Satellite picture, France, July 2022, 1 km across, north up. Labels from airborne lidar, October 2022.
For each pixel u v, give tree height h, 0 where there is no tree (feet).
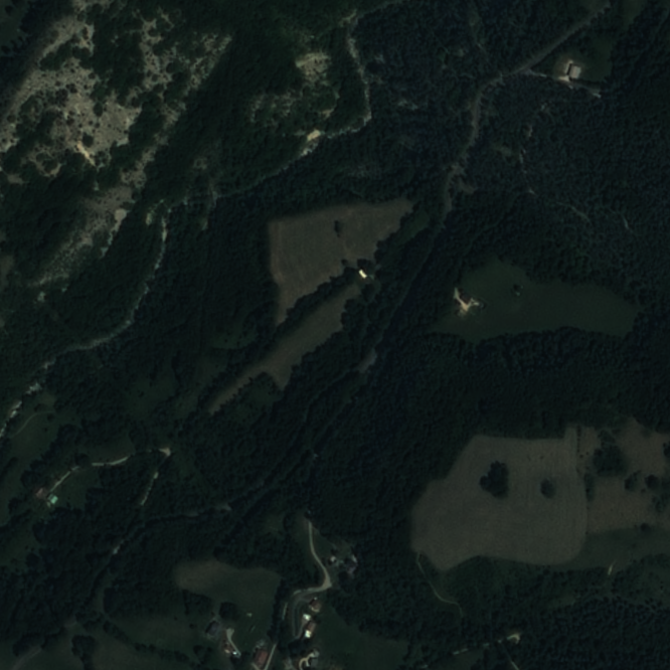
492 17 64
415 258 94
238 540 90
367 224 0
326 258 0
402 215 0
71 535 68
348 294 0
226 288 84
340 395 63
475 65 27
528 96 75
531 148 58
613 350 37
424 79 73
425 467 66
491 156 71
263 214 68
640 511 0
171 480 81
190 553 27
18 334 51
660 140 80
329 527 67
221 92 64
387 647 0
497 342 20
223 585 0
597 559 0
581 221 64
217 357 33
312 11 42
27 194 67
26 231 61
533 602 31
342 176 33
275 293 89
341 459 56
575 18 32
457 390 80
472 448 0
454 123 35
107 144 0
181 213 54
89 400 53
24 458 0
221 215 61
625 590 31
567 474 0
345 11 27
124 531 77
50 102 32
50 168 36
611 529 0
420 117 76
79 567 94
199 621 0
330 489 63
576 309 0
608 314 0
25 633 31
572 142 87
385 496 85
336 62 30
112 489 52
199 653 59
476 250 50
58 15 19
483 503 0
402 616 28
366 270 82
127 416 22
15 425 61
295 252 0
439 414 90
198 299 81
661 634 53
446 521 0
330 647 0
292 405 74
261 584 0
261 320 99
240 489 33
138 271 59
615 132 81
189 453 25
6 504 0
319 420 53
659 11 25
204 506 83
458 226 97
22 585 92
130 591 73
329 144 35
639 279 51
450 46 55
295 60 40
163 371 73
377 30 81
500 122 70
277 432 58
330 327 0
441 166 76
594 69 0
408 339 87
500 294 0
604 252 63
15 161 39
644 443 0
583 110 71
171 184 48
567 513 0
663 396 91
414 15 37
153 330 70
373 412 56
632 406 72
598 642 33
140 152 49
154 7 31
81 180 34
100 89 35
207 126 65
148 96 34
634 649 42
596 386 67
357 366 56
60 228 69
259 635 0
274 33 44
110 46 44
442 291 83
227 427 47
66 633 73
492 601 27
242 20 39
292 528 52
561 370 89
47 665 0
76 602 98
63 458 27
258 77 50
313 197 54
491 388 87
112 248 49
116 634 63
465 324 0
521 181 76
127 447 0
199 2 63
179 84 55
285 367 0
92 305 77
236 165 62
